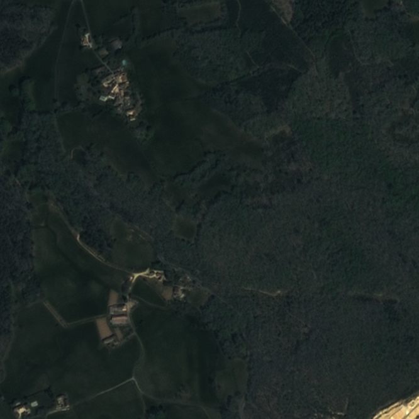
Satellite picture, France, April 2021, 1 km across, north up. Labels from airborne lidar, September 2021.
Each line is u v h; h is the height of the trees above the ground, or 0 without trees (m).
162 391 0
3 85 0
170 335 0
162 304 0
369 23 23
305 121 21
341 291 11
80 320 0
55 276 0
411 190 26
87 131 0
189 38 9
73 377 0
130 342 0
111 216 15
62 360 0
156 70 0
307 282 15
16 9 14
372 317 23
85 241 27
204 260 18
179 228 0
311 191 18
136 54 0
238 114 7
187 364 0
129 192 13
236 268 11
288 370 11
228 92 23
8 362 0
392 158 12
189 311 15
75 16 0
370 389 16
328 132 23
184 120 0
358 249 16
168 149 0
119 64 8
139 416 0
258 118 18
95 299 0
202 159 0
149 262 0
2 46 26
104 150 0
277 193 12
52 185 26
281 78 5
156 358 0
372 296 7
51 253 0
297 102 18
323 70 15
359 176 19
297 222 13
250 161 0
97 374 0
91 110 0
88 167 24
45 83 0
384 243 16
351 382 10
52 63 0
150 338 0
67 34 0
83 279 0
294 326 8
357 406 12
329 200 17
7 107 0
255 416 6
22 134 25
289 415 7
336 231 23
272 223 15
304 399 8
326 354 17
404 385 13
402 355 20
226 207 20
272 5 16
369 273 19
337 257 12
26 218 28
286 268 14
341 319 18
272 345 13
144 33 0
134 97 9
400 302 14
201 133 0
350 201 18
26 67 0
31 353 0
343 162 14
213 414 0
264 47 7
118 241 0
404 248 17
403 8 16
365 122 20
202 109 0
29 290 14
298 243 14
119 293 0
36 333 0
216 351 0
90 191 23
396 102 15
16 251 26
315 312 16
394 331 25
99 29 0
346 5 15
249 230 16
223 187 0
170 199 17
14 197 20
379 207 16
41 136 20
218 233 12
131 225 25
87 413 0
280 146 22
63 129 0
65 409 0
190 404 0
